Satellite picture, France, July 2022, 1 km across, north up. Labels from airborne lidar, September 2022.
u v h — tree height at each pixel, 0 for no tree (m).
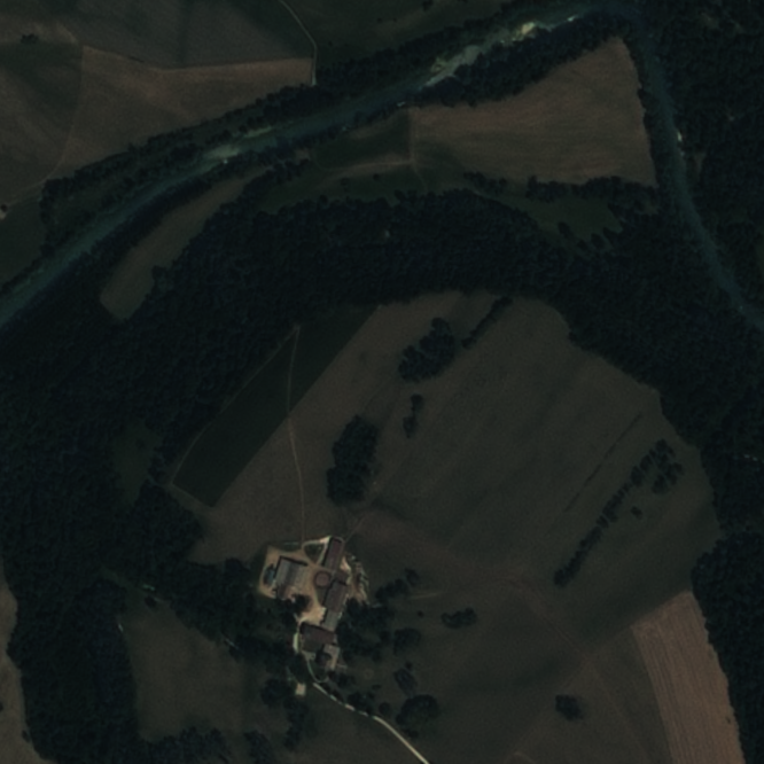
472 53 0
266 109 11
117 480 22
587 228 0
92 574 17
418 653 0
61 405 22
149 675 0
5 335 20
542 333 0
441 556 0
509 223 22
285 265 23
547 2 10
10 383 27
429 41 18
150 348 24
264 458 0
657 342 19
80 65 0
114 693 21
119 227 6
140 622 0
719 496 12
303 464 0
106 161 6
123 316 0
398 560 0
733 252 12
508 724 0
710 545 0
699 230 0
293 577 0
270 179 11
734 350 34
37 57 0
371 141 0
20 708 0
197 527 21
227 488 0
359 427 12
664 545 0
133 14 0
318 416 0
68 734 24
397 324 0
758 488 23
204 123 12
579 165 0
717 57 19
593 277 25
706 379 23
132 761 22
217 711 0
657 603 0
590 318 20
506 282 22
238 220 24
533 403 0
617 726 0
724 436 17
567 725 0
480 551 0
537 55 25
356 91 25
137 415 19
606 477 0
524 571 0
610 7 0
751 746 17
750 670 14
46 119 0
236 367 25
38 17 0
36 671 21
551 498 0
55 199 11
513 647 0
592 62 0
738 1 21
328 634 0
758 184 26
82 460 26
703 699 0
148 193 0
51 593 22
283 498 0
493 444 0
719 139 17
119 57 0
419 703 15
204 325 27
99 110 0
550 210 0
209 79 0
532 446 0
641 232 13
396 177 0
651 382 13
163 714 0
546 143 0
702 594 20
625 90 0
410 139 0
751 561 15
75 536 26
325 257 26
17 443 6
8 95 0
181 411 21
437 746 0
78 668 7
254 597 16
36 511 28
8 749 0
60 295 19
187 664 0
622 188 20
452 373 0
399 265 27
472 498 0
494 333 0
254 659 28
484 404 0
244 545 0
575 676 0
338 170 0
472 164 0
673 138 0
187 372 33
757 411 22
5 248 0
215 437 0
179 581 24
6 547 18
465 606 0
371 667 0
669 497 0
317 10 0
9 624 0
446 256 24
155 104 0
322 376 0
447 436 0
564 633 0
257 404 0
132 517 25
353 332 0
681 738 0
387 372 0
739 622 9
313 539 0
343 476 14
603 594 0
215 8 0
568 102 0
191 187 19
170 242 0
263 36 0
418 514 0
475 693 0
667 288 24
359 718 0
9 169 0
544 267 26
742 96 23
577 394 0
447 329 20
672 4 17
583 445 0
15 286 11
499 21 13
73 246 0
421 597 0
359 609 17
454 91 24
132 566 27
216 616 22
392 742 0
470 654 0
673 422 13
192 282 26
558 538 0
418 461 0
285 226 24
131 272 0
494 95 16
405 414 0
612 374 0
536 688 0
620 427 0
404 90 0
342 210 24
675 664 0
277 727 0
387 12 0
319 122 0
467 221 21
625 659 0
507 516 0
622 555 0
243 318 23
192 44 0
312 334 0
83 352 19
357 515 0
